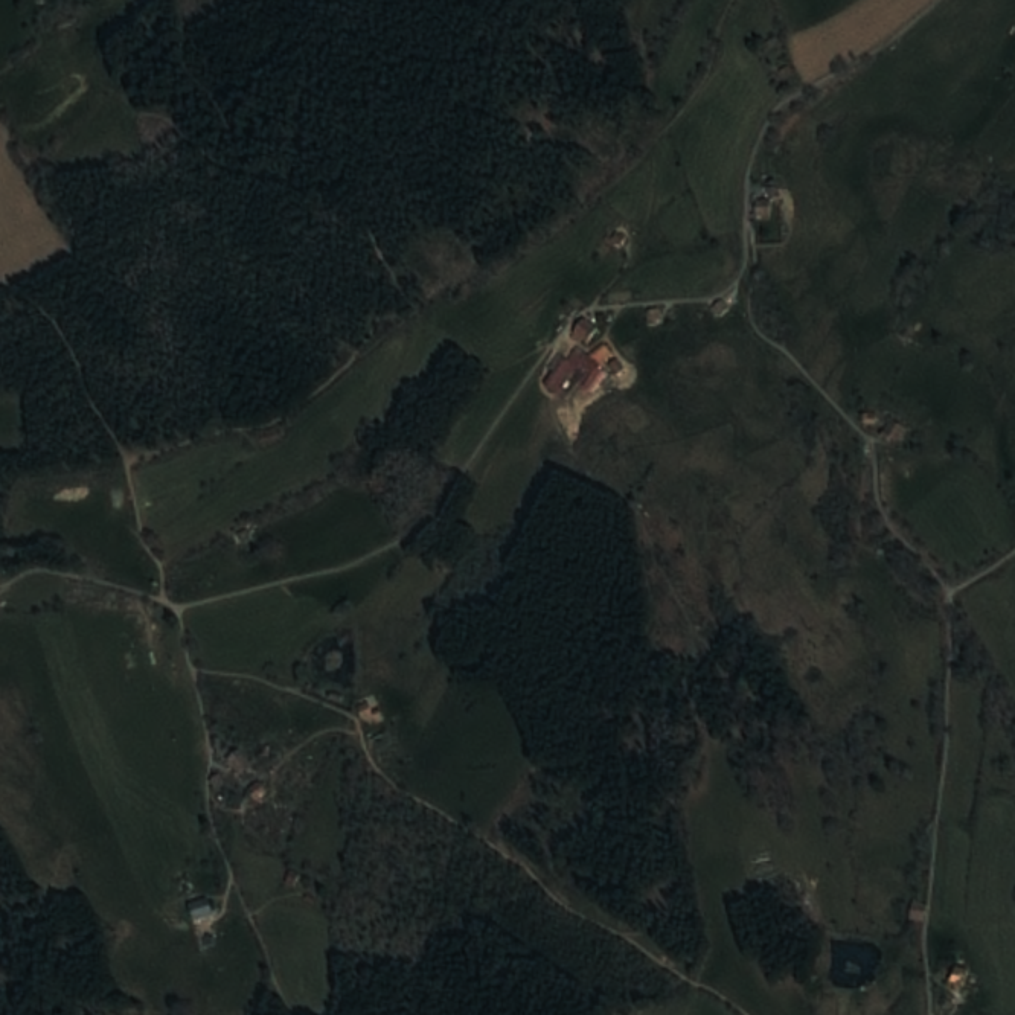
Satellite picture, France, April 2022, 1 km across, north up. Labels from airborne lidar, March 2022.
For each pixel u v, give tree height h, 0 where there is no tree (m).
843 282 0
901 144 0
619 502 22
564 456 0
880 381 0
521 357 0
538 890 11
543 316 0
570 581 25
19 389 21
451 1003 20
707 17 0
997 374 0
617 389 0
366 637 0
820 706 0
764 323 6
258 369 28
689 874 17
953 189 0
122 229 20
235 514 0
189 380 14
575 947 10
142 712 0
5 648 0
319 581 0
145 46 30
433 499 12
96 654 0
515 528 6
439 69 20
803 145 0
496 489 0
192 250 18
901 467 0
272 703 0
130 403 18
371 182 26
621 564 28
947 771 0
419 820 9
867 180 0
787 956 23
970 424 0
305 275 19
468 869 13
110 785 0
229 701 0
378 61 20
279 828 0
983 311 0
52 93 0
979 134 0
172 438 16
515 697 24
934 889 0
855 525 11
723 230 0
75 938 18
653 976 9
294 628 0
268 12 17
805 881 0
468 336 0
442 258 0
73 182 21
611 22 16
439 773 0
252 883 0
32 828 0
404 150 25
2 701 0
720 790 0
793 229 0
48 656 0
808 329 0
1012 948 0
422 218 22
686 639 0
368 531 0
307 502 13
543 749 30
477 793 0
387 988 19
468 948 19
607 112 22
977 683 11
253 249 21
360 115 22
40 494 0
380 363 0
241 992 0
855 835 0
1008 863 0
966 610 10
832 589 0
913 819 0
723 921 0
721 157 0
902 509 0
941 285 0
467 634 25
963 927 0
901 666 0
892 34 0
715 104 0
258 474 0
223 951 0
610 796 25
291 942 0
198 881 0
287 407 28
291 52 11
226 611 0
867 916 0
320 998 0
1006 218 12
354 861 13
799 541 0
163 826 0
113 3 0
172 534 0
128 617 0
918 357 0
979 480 0
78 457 17
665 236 0
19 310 19
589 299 0
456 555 26
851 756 9
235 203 17
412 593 0
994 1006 0
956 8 0
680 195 0
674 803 22
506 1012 21
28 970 31
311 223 15
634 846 28
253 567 10
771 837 0
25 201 0
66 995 19
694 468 0
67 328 19
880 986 0
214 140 25
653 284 0
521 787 0
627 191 0
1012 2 0
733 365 0
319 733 0
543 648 25
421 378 0
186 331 19
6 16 0
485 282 19
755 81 0
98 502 0
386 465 20
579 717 26
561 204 23
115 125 0
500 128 19
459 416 24
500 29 24
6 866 17
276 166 22
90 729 0
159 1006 0
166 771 0
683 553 7
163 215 22
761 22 0
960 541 0
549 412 0
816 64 0
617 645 15
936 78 0
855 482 8
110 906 0
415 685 0
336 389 0
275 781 0
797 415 8
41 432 16
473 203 14
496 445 0
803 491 0
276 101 30
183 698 0
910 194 0
